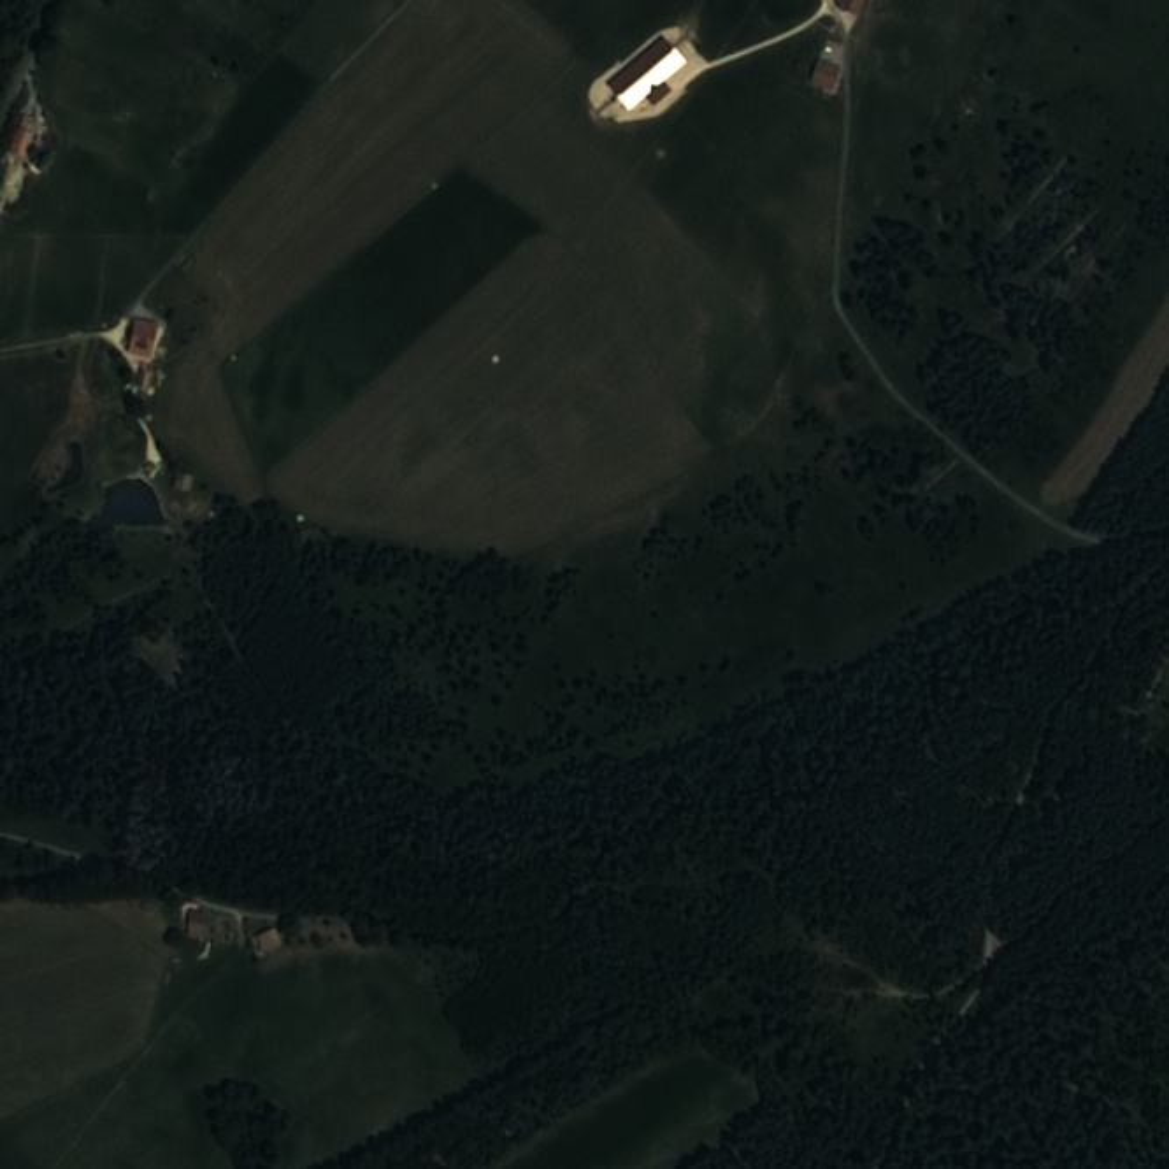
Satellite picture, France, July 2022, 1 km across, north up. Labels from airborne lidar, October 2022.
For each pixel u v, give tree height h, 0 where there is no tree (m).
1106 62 0
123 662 21
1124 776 31
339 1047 0
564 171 0
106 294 0
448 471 0
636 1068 27
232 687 16
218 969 0
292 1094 0
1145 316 0
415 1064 0
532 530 0
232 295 0
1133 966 37
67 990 0
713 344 0
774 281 0
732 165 0
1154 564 26
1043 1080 38
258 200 0
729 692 0
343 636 17
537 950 7
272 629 16
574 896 10
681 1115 0
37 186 0
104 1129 0
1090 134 0
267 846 22
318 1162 0
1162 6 0
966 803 19
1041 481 0
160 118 0
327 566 16
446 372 0
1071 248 0
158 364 0
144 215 0
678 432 0
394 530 0
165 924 0
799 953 9
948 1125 40
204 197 0
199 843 18
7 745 23
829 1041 6
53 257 0
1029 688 21
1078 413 0
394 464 0
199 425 0
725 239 0
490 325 0
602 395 0
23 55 14
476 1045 9
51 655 12
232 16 0
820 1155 28
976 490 0
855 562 0
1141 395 0
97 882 27
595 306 0
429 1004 0
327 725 19
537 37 0
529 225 0
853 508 0
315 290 0
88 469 0
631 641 0
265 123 0
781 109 0
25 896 19
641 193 0
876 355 0
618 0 0
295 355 0
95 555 14
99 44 0
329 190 0
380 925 32
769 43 0
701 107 0
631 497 0
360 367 0
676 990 16
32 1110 0
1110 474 18
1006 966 22
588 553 0
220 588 9
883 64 0
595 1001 16
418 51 0
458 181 0
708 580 0
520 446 0
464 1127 23
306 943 6
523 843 34
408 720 18
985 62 0
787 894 14
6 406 0
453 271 0
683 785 22
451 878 19
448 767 0
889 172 0
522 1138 22
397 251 0
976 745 21
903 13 0
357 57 0
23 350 0
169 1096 0
